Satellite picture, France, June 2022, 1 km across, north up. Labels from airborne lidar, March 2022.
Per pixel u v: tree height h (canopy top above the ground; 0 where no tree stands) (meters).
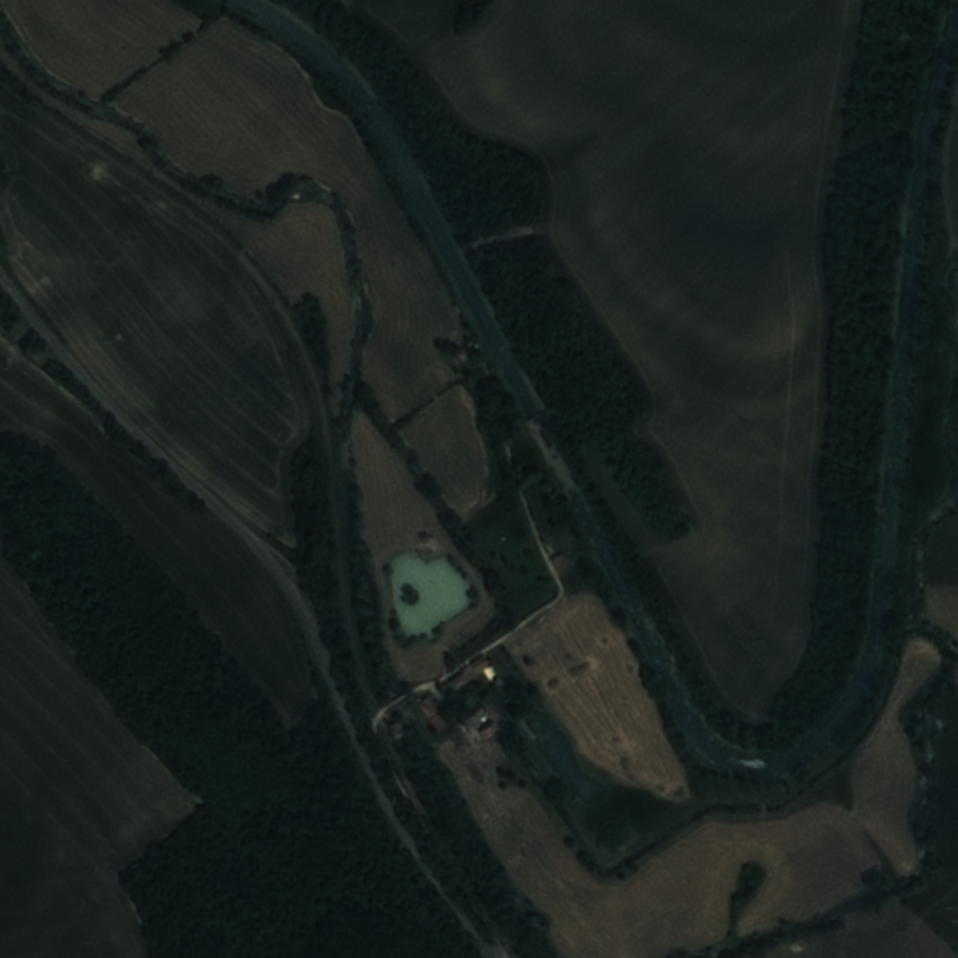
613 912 0
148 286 0
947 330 0
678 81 0
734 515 0
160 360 0
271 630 0
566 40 0
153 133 0
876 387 16
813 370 0
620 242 0
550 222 0
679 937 0
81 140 0
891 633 22
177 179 6
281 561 0
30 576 13
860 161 15
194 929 15
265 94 0
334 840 24
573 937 0
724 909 0
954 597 0
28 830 0
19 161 0
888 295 26
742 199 0
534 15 0
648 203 0
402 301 0
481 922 18
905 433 0
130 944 0
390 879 24
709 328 0
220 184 13
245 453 0
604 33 0
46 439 0
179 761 7
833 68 0
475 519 0
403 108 18
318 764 15
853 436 17
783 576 0
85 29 0
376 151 13
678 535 6
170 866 18
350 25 16
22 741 0
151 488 0
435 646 0
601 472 0
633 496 7
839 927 9
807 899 0
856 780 0
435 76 0
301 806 18
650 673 20
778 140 0
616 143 0
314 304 13
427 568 0
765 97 0
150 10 0
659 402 0
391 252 0
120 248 0
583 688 0
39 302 0
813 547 0
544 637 0
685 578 0
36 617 0
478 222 23
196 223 0
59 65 0
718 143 0
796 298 0
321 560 25
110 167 0
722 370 0
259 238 0
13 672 0
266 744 16
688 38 0
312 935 19
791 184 0
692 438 0
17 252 0
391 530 0
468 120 0
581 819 0
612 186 0
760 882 0
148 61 0
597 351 17
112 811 0
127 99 0
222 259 0
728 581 0
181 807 0
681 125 0
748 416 0
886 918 0
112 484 0
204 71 0
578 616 0
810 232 0
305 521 7
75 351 0
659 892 0
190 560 0
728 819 0
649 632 0
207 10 0
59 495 10
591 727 0
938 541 0
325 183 0
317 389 0
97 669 13
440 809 20
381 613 8
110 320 0
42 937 0
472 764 0
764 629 0
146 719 14
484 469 0
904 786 0
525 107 0
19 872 0
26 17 0
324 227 0
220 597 0
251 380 0
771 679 0
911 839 0
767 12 0
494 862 21
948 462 0
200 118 0
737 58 0
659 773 0
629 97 0
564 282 12
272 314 0
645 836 0
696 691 15
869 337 25
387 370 0
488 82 0
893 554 0
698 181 0
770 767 0
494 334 0
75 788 0
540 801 0
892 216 28
